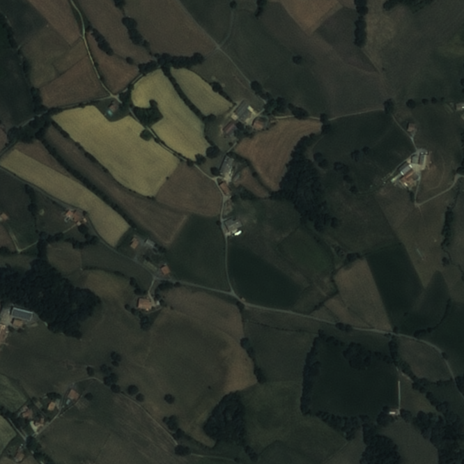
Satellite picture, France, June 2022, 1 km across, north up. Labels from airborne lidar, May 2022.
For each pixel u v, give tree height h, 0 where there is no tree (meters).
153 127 0
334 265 0
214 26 0
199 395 0
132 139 0
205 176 0
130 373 0
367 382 0
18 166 0
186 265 0
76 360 0
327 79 0
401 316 0
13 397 0
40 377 0
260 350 0
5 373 0
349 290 0
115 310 0
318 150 0
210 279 0
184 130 0
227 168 0
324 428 0
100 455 0
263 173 0
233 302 0
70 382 0
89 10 0
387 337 8
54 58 0
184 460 0
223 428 23
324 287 0
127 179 0
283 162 0
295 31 0
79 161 0
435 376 0
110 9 0
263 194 0
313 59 0
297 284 0
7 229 0
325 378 0
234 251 0
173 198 0
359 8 12
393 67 0
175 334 0
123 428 0
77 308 18
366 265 0
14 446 0
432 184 0
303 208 22
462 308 0
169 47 0
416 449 0
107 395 0
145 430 0
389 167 0
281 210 0
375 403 0
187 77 0
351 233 0
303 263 0
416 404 0
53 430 0
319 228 21
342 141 0
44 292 26
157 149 0
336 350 0
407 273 0
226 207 0
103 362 0
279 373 0
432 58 0
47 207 0
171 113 0
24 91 0
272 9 0
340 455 0
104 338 0
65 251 0
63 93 0
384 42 0
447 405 17
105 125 0
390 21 0
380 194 0
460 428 29
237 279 0
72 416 0
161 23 0
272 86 0
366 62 0
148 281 0
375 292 0
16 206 0
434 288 0
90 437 0
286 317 0
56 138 0
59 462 0
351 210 0
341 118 0
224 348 0
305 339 0
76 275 0
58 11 0
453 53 0
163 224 0
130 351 0
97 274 0
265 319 0
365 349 13
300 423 0
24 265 0
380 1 0
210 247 0
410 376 10
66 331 21
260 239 0
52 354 0
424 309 0
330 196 0
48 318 20
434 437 20
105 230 0
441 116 0
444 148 0
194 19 0
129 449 0
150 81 0
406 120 0
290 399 0
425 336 16
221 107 0
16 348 0
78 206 0
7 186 0
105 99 0
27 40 0
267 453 0
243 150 0
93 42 0
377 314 0
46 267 24
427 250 0
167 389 0
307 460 0
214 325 0
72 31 0
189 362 0
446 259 12
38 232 7
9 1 0
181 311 0
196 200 0
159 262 0
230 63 0
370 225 0
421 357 0
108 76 0
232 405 21
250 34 0
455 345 0
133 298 0
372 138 0
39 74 0
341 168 18
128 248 0
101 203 0
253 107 0
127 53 0
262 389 0
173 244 0
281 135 0
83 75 0
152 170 0
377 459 9
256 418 0
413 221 0
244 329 0
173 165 0
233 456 0
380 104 0
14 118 0
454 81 0
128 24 20
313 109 0
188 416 0
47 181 0
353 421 14
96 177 0
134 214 0
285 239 0
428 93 0
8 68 0
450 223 16
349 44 0
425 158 0
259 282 0
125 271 0
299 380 0
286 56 0
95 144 0
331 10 0
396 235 0
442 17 0
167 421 10
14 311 0
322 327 0
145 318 16
